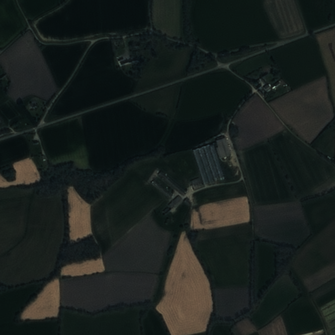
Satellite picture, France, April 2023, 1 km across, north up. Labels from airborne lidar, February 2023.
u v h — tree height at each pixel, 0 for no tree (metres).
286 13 0
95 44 0
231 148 0
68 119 0
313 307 0
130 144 0
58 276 8
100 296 0
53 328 0
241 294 0
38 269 0
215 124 0
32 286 0
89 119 0
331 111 0
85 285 0
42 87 0
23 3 0
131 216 0
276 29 0
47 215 0
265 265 0
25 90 0
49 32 0
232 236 0
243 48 11
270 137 0
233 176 0
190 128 0
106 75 0
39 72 0
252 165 0
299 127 0
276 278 15
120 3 0
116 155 0
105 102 0
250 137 0
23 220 0
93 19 0
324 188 0
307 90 0
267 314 0
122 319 0
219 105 0
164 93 0
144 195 0
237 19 0
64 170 7
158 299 0
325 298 0
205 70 0
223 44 0
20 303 0
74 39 0
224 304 0
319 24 0
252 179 0
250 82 13
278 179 0
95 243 9
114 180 12
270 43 0
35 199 0
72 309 10
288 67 0
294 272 0
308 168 0
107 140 0
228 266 0
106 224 0
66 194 11
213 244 0
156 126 0
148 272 0
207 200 0
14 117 0
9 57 0
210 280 12
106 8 0
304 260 0
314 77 0
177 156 0
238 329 0
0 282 0
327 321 0
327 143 0
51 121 0
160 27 0
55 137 0
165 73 0
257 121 0
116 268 0
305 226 0
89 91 0
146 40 9
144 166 0
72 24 0
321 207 0
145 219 0
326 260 0
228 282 0
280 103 0
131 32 0
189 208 0
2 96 0
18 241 0
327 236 0
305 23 0
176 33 0
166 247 0
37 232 0
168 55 0
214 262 0
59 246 0
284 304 0
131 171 0
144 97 0
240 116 0
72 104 0
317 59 0
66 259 18
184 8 8
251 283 13
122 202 0
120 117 0
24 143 0
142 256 0
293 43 0
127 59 0
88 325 0
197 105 0
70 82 0
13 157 0
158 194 0
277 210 0
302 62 0
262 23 0
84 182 14
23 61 0
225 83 0
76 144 0
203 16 0
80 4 0
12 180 6
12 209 0
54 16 0
